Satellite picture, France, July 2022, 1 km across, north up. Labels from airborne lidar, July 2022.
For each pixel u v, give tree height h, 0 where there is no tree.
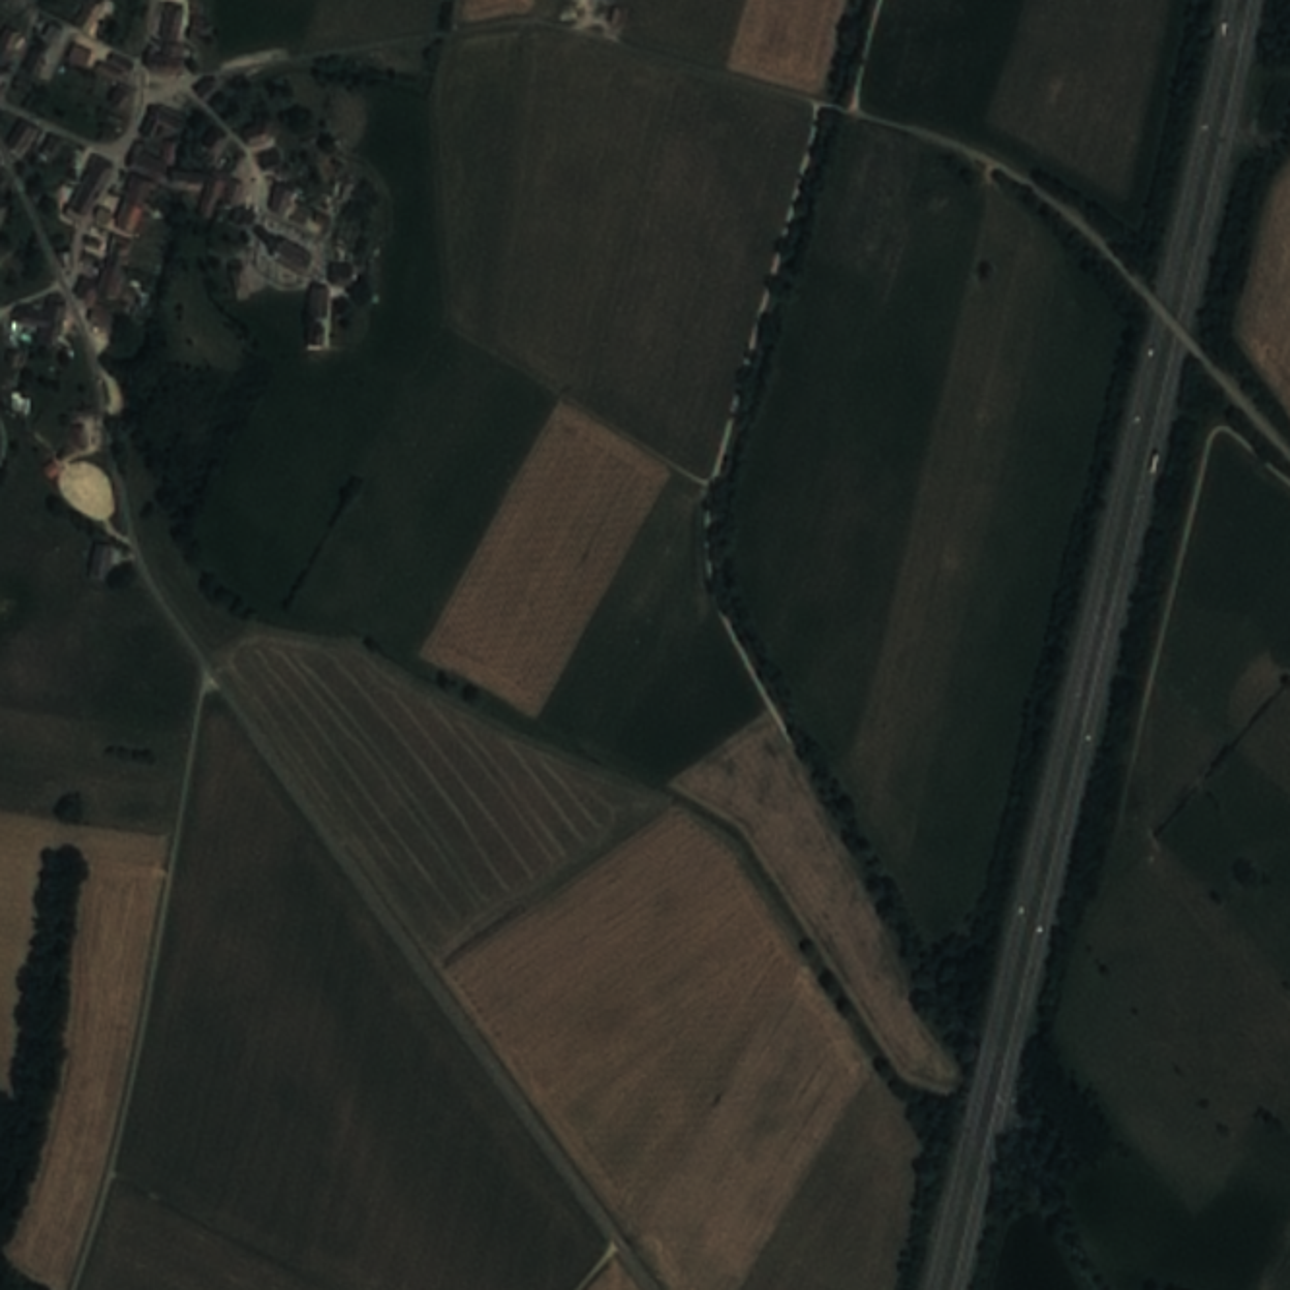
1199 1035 0
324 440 0
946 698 0
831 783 10
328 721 0
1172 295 0
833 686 0
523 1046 0
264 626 0
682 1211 0
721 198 0
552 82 0
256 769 0
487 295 0
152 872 0
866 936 0
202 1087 0
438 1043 0
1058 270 0
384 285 0
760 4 0
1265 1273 0
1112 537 0
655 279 0
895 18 0
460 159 0
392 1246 0
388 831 0
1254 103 0
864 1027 0
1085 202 9
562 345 0
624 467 0
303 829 0
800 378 0
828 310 0
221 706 0
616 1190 0
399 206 0
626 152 0
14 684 0
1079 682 0
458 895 0
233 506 0
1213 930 0
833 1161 0
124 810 0
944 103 0
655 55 0
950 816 0
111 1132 0
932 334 0
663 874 0
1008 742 0
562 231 0
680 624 0
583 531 0
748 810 0
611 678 0
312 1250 0
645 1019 0
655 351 0
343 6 0
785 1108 0
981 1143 0
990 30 0
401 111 0
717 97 0
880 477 0
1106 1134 15
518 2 0
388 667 0
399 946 0
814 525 0
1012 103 0
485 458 0
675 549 0
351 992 0
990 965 9
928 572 0
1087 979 0
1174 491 14
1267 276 0
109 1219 0
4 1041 0
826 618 0
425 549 0
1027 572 0
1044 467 0
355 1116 0
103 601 0
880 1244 0
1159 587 6
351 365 0
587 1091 0
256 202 0
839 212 0
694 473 0
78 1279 0
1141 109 0
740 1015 0
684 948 0
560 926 0
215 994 0
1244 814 0
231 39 0
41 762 0
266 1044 0
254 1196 0
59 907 19
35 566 0
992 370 0
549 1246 0
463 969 0
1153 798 0
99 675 0
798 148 0
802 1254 0
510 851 0
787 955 0
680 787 0
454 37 0
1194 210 0
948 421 0
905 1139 0
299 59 0
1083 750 0
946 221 0
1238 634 0
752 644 9
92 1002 0
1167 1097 0
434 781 0
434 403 0
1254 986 0
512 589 0
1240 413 12
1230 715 0
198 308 0
